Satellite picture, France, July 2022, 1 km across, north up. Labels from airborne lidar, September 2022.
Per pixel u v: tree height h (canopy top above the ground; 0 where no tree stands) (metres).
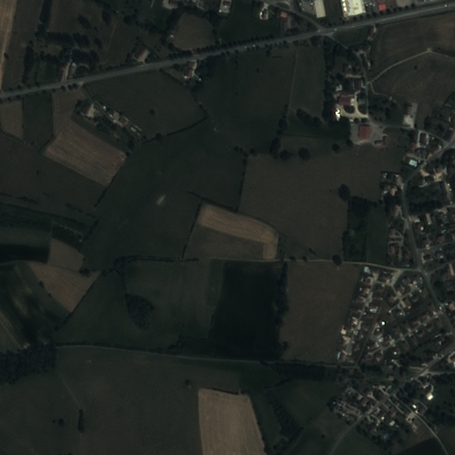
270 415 0
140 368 0
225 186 0
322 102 0
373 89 0
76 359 0
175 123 0
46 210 0
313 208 0
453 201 0
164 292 0
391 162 0
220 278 0
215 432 0
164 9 0
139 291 0
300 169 0
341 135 0
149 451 0
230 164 0
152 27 19
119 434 0
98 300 0
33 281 0
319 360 0
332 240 0
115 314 0
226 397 0
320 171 0
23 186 0
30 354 24
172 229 0
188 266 0
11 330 0
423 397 8
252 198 0
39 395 0
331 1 0
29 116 0
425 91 0
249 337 0
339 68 0
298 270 0
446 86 0
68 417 0
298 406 0
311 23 9
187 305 0
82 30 0
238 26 0
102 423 0
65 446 0
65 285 0
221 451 0
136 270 0
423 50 0
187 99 0
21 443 0
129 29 0
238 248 0
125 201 0
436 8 0
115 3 0
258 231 0
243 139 0
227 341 0
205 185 0
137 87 0
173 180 0
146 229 0
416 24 0
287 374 12
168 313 0
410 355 7
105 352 0
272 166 0
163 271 0
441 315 0
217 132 0
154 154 0
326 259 0
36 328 0
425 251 0
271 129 0
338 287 0
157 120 0
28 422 0
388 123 0
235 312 0
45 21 26
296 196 0
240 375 0
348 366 0
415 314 0
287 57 0
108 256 0
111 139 0
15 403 0
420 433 0
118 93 0
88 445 0
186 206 0
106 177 0
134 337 0
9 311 0
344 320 0
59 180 0
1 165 0
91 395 0
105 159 0
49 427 0
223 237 0
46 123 0
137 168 0
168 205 0
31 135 0
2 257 0
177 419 0
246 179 0
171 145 0
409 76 0
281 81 0
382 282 0
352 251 9
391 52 0
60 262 0
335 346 0
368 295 0
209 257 0
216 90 0
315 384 0
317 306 0
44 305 0
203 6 0
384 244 0
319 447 0
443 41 0
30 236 0
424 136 0
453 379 9
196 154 0
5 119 0
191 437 0
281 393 0
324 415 0
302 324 0
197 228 0
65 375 0
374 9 0
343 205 0
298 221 0
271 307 0
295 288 0
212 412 0
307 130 0
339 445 0
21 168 0
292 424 11
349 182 0
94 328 0
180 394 0
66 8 0
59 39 29
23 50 0
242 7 0
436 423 8
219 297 0
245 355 0
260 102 0
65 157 0
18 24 0
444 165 8
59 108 0
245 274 0
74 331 0
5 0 0
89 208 0
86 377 0
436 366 0
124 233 0
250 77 0
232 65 0
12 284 0
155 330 0
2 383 17
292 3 0
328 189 0
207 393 0
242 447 0
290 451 0
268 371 0
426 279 0
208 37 0
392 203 18
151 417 0
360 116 0
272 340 0
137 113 0
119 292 0
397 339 0
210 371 0
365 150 0
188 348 0
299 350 0
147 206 0
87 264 0
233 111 0
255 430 0
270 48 10
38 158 0
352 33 0
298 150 0
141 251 0
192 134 0
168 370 0
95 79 0
